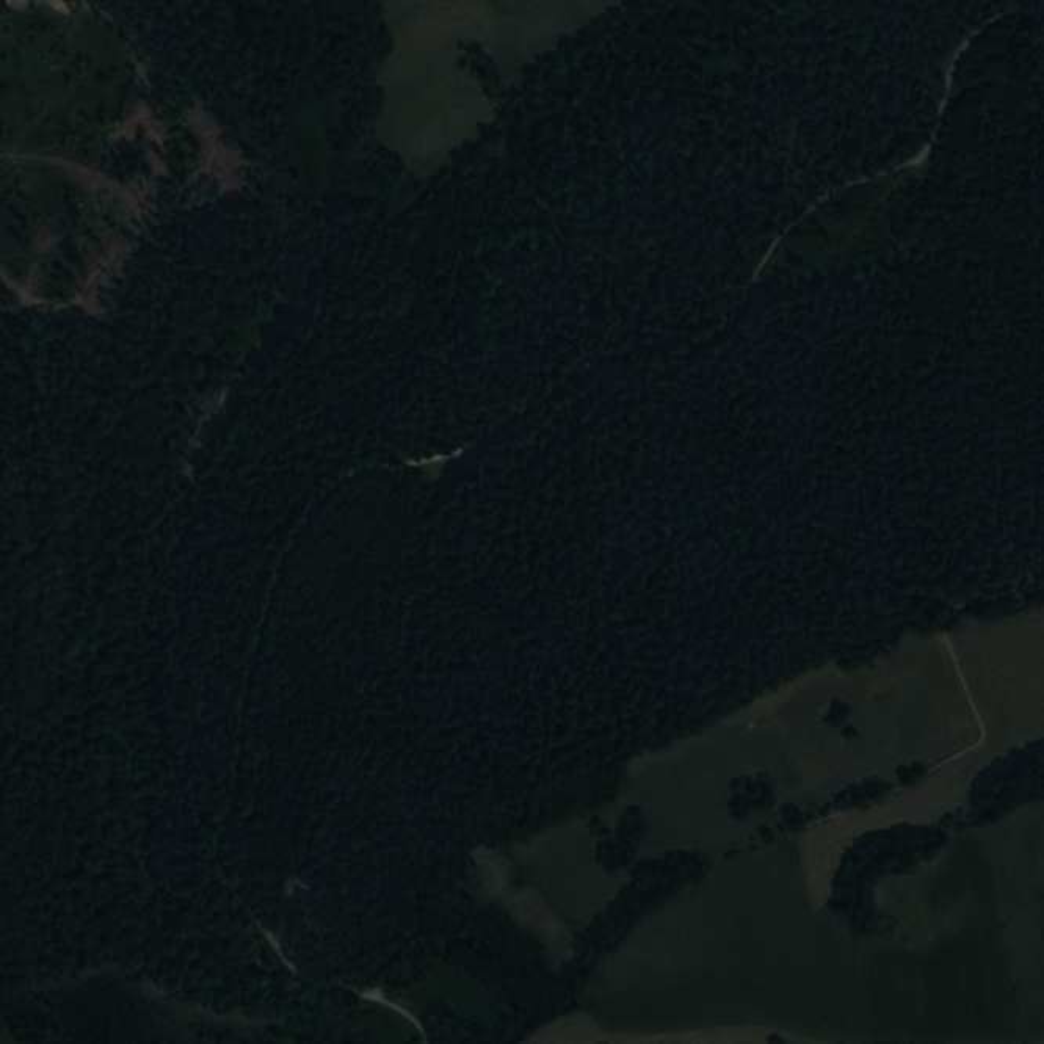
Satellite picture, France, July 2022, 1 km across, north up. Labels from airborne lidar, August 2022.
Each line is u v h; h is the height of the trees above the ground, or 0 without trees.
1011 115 8
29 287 0
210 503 18
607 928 21
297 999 29
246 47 32
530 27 0
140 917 40
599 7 0
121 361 23
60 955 32
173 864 23
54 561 19
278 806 21
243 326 30
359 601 23
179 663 25
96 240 27
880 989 0
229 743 27
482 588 26
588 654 31
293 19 23
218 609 26
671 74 8
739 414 28
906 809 0
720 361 27
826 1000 0
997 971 0
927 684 0
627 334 9
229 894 25
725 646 31
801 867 0
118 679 39
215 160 0
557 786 18
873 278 26
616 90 10
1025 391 29
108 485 27
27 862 29
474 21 0
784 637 31
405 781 14
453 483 25
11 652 24
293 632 17
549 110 8
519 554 30
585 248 34
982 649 0
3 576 17
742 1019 0
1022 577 31
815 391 21
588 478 25
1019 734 0
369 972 19
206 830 24
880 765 0
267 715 24
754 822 0
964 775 0
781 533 30
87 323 34
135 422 23
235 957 38
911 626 22
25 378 9
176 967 28
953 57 0
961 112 13
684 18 14
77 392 26
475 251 8
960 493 28
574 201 34
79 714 16
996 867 0
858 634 22
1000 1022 0
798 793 0
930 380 22
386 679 28
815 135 30
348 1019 28
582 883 0
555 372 32
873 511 25
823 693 0
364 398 17
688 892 0
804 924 0
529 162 7
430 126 0
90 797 24
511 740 28
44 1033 9
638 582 21
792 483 30
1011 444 26
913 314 17
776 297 29
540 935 0
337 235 27
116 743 30
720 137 32
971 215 19
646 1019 0
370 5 22
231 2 21
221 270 25
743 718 0
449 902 20
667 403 27
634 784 0
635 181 29
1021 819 0
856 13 26
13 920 33
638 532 34
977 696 0
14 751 28
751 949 0
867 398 21
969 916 0
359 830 25
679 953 0
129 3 35
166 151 8
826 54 30
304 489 8
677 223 23
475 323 35
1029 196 25
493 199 11
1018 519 31
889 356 27
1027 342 20
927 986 0
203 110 0
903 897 0
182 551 33
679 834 0
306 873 21
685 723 20
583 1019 0
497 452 27
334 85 20
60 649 26
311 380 14
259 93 27
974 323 23
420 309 16
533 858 0
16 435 23
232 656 18
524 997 17
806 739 0
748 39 8
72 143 12
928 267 14
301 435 19
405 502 21
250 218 23
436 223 10
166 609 32
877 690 0
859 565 29
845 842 0
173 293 19
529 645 24
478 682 25
